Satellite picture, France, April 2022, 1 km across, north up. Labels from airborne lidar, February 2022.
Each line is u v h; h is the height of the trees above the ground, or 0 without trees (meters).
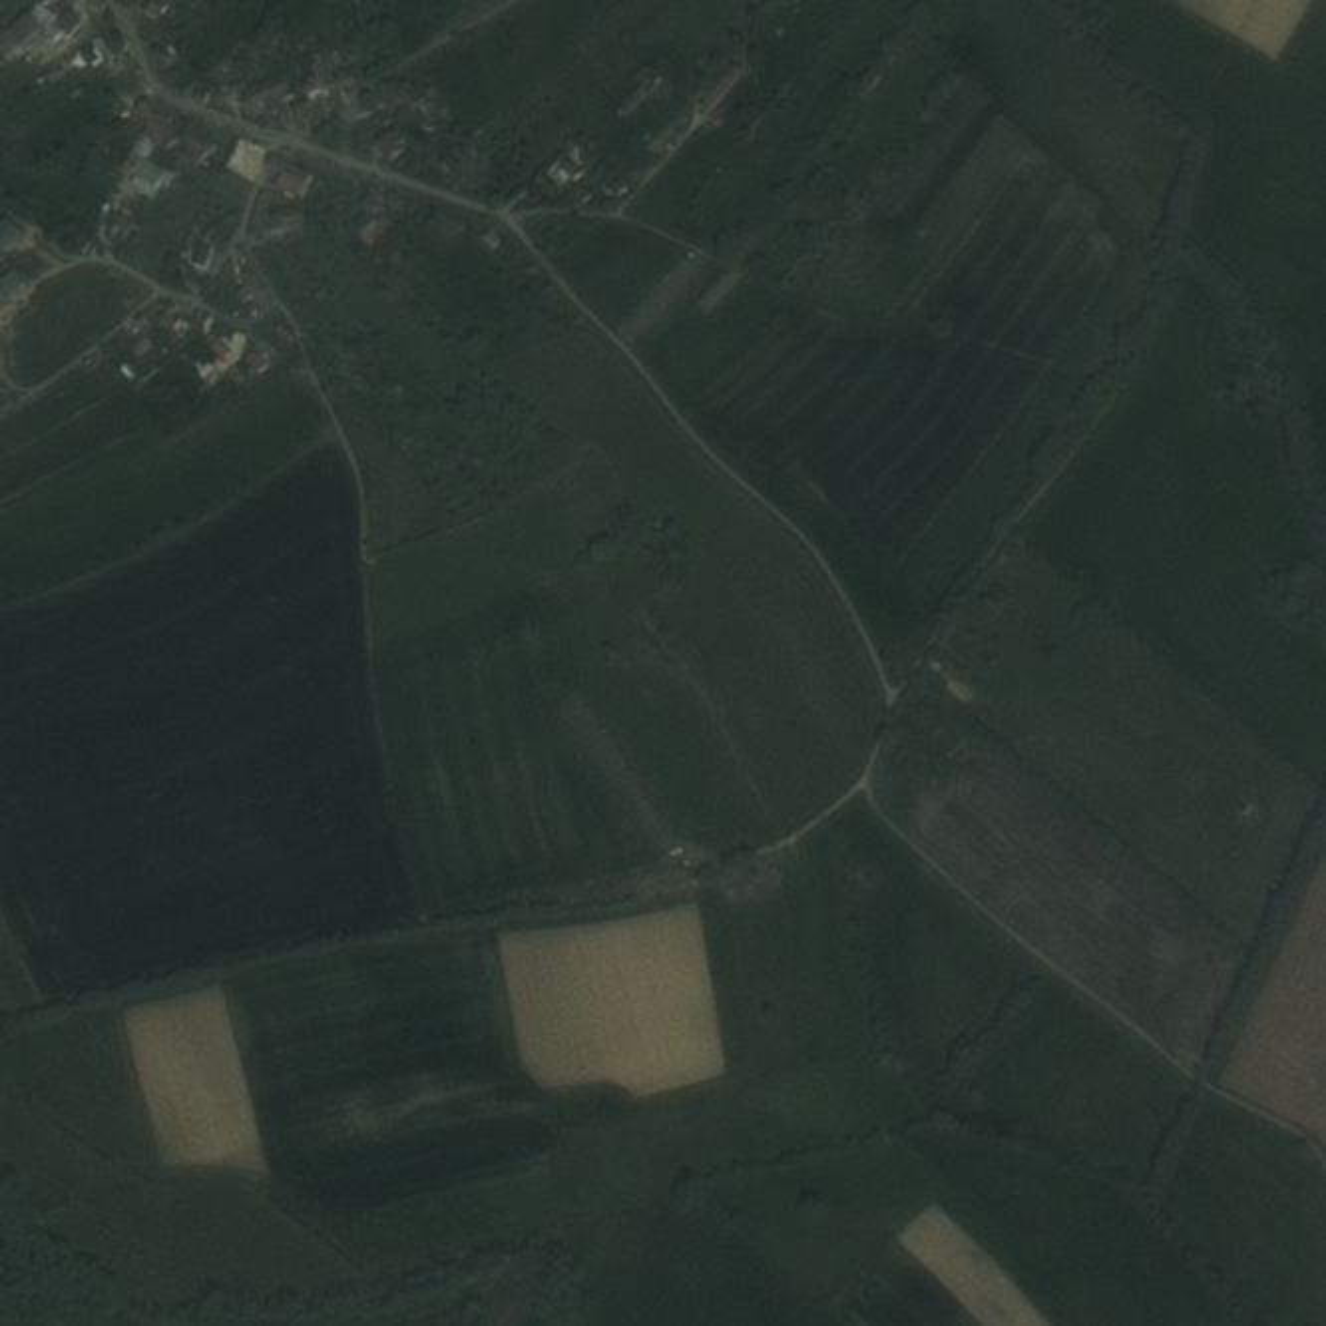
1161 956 0
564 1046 0
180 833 0
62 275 0
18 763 0
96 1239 0
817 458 0
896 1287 0
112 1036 0
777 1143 0
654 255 0
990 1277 0
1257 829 0
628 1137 0
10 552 0
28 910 0
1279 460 0
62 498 0
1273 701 0
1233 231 0
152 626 0
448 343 14
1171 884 6
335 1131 0
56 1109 0
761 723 0
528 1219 0
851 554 0
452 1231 0
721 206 0
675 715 0
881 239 0
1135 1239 0
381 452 0
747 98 0
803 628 0
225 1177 0
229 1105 0
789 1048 0
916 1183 0
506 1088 0
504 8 0
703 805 0
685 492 0
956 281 0
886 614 0
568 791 0
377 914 0
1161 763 0
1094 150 0
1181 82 0
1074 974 0
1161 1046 0
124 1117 0
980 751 0
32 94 6
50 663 0
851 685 0
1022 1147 15
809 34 0
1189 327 0
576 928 0
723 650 0
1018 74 0
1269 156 0
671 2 0
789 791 0
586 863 0
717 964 0
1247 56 0
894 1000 0
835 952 0
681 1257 0
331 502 0
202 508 0
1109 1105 0
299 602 0
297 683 0
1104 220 0
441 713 0
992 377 0
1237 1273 0
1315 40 0
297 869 0
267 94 0
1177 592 0
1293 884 15
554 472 0
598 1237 0
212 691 0
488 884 0
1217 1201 0
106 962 0
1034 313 0
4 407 0
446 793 0
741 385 0
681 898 0
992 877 0
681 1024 0
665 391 0
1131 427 0
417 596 0
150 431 0
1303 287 0
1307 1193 0
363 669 0
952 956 0
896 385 0
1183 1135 15
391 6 10
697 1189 22
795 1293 0
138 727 0
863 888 0
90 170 13
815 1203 17
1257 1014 0
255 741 0
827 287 0
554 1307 21
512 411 16
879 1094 0
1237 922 0
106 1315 21
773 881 0
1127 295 0
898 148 0
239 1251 0
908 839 0
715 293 0
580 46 0
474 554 0
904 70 0
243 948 0
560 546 0
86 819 0
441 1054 0
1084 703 0
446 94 0
